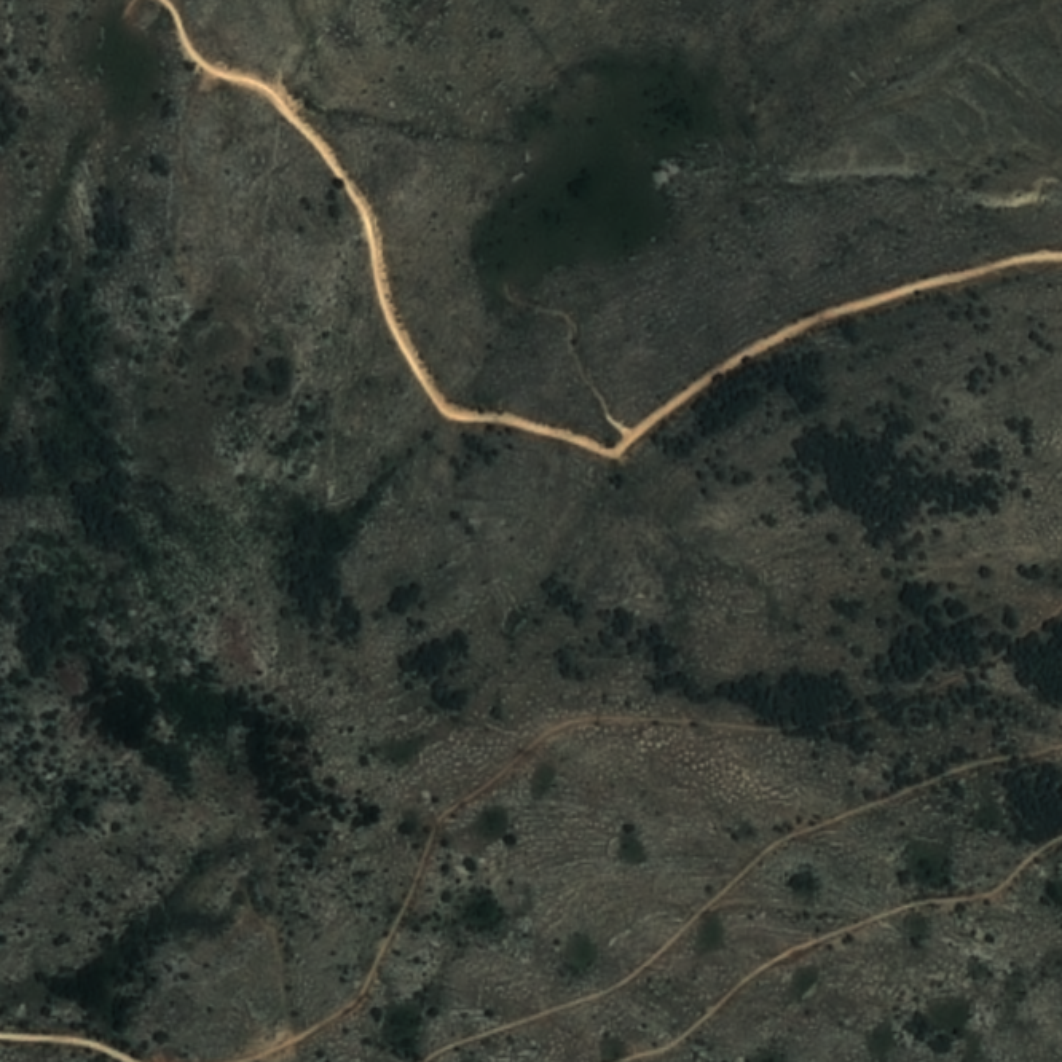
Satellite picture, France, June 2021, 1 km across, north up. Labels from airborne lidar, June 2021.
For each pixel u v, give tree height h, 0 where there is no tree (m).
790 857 0
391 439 0
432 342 0
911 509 8
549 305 0
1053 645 8
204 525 0
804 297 0
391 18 0
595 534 0
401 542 0
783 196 0
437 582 0
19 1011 0
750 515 0
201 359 0
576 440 0
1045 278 0
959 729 0
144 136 0
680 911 0
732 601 0
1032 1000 0
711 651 0
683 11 0
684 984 0
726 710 0
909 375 0
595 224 0
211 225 0
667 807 0
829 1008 0
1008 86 0
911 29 0
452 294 0
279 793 5
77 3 0
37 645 10
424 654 13
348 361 0
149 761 7
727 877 0
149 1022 0
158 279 0
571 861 0
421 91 0
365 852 0
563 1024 0
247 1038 0
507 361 0
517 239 0
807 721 9
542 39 0
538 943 0
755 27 0
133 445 0
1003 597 0
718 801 0
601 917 0
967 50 0
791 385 10
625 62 0
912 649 10
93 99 0
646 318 0
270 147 0
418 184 0
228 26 0
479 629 0
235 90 0
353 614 5
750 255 0
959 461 0
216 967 0
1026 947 0
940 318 0
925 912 0
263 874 0
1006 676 0
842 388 0
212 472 0
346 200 0
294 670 0
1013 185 0
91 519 10
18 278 0
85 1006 7
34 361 8
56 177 0
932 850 0
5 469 12
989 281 0
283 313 0
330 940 0
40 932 0
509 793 0
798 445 9
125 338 0
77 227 0
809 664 0
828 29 0
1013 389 0
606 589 0
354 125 0
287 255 0
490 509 0
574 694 0
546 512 0
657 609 0
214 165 0
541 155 0
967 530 0
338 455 0
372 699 0
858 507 7
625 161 0
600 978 0
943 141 0
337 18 0
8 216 0
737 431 0
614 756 0
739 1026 0
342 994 0
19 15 0
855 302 0
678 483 0
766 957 0
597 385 0
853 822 0
